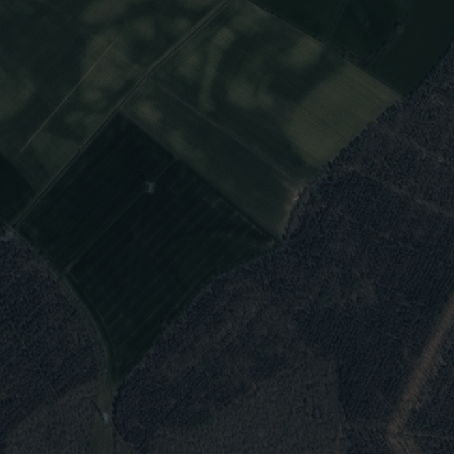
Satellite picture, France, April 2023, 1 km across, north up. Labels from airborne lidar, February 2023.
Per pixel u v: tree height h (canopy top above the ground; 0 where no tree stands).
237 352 18
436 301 19
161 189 0
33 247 10
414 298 20
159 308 0
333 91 0
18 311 16
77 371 19
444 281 17
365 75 0
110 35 0
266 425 8
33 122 0
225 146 0
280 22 0
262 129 0
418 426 18
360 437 13
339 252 15
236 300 19
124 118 0
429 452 15
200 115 0
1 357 19
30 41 0
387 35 0
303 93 0
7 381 19
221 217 0
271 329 19
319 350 16
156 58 0
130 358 0
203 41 0
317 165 0
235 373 19
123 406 18
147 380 17
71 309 15
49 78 0
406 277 18
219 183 0
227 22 0
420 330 16
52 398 15
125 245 0
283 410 8
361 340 18
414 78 0
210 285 10
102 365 14
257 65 0
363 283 16
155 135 0
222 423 16
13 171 0
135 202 0
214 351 19
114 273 0
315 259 11
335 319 21
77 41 0
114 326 0
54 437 19
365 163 18
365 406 17
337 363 17
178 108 0
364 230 18
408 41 0
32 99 0
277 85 0
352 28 0
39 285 10
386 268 15
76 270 0
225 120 0
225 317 17
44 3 0
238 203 0
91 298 0
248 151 0
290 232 13
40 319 19
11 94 0
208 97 0
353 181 17
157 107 0
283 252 12
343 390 24
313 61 0
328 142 0
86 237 0
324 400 16
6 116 0
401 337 18
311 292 19
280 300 17
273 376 18
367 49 0
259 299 11
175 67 0
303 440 15
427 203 19
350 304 17
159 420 19
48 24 0
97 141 0
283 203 0
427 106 14
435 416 18
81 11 0
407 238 19
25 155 0
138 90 0
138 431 18
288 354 19
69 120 0
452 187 17
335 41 0
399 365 13
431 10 0
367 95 0
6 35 0
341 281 18
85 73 0
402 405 16
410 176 17
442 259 19
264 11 0
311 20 0
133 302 0
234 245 0
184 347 13
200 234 0
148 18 0
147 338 0
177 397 18
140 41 0
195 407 17
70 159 0
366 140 18
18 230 13
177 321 9
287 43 0
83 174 0
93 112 0
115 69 0
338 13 0
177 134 0
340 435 16
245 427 10
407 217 15
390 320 17
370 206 20
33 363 17
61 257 0
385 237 10
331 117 0
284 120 0
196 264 0
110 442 0
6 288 12
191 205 0
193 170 0
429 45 0
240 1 0
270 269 16
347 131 0
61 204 0
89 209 0
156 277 0
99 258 0
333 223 18
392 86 0
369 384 16
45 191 0
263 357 20
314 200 17
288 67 0
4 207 0
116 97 0
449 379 18
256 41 0
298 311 11
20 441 9
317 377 15
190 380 20
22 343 14
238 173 0
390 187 18
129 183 0
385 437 18
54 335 11
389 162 21
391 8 0
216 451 16
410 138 20
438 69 11
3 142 0
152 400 19
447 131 17
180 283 0
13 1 0
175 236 0
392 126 18
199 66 0
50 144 0
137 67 0
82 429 16
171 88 0
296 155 0
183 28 0
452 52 17
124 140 0
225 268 0
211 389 15
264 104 0
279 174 0
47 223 0
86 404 13
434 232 16
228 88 0
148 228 0
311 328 18
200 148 0
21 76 0
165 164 0
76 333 16
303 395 14
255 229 0
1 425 16
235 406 16
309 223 20
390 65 0
